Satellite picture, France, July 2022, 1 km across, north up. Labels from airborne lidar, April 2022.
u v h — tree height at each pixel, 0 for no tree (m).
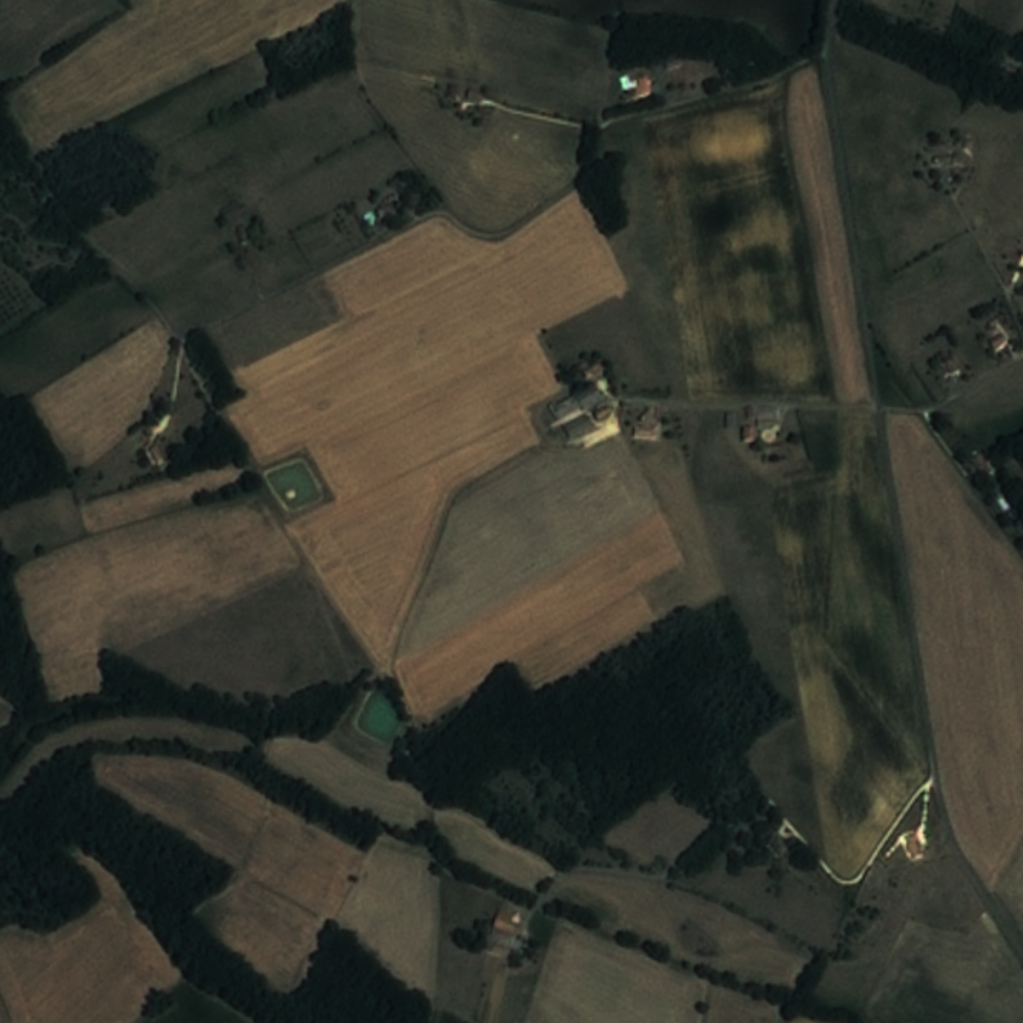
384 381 0
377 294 0
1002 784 0
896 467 0
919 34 8
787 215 0
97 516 0
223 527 0
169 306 0
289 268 0
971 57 8
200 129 0
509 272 0
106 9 0
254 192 0
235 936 0
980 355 0
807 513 0
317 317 0
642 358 0
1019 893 0
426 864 0
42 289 16
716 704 21
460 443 0
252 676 0
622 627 0
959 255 0
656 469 0
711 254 0
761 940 0
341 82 0
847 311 0
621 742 18
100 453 0
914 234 0
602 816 12
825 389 0
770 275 0
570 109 0
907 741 0
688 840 0
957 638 0
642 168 0
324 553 0
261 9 0
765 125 0
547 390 0
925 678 0
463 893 0
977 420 0
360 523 0
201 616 0
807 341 0
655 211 0
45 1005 0
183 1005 0
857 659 0
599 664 13
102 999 0
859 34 13
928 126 0
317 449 0
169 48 0
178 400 0
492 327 0
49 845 19
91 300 0
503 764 10
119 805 14
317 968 9
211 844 0
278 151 0
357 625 0
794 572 0
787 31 0
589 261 0
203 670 0
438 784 20
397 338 0
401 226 9
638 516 0
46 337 0
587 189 15
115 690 19
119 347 0
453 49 0
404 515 0
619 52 14
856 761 0
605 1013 0
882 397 0
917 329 0
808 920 0
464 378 0
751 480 0
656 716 16
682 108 0
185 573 0
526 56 0
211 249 0
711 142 0
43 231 6
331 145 0
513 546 0
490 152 0
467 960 0
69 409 0
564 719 18
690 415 0
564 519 0
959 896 0
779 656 0
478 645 0
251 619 0
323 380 0
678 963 0
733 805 15
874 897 0
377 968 13
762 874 0
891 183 0
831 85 0
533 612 0
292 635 0
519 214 0
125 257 0
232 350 0
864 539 0
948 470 0
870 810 0
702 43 16
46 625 0
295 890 0
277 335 0
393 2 0
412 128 0
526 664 0
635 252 0
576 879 0
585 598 0
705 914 0
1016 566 0
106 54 0
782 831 0
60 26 0
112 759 0
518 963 7
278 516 0
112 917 0
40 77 0
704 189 0
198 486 0
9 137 14
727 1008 0
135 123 0
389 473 0
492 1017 0
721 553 0
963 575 0
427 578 0
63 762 17
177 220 0
